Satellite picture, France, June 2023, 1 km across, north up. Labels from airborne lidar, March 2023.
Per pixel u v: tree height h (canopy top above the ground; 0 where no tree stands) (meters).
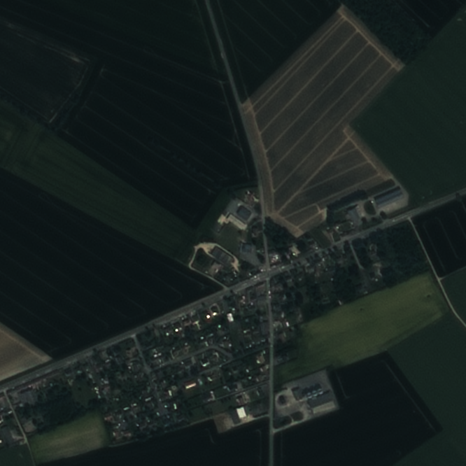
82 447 0
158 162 0
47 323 0
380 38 9
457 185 0
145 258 0
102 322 0
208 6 0
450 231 0
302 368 0
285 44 0
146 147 0
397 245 8
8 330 0
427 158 0
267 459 0
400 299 0
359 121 0
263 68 0
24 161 0
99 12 0
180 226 0
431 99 0
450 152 0
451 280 0
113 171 0
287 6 0
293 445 0
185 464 0
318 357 0
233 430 0
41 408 16
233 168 0
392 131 0
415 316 0
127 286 0
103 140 0
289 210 0
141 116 0
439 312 0
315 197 0
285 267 0
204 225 0
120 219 0
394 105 0
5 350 0
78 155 0
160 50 0
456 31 0
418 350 0
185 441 0
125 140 0
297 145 0
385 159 0
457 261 0
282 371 0
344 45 0
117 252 0
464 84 0
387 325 0
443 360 0
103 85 0
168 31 0
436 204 0
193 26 0
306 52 0
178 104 0
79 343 0
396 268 15
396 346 0
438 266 0
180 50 0
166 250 0
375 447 0
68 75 0
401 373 0
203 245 0
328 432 0
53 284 0
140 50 0
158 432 14
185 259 0
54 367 0
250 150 0
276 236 13
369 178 0
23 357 0
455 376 0
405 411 0
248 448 0
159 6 0
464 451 0
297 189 0
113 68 0
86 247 0
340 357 0
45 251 0
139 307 0
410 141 0
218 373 0
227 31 0
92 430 0
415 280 0
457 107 0
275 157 0
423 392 0
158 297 0
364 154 0
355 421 0
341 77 0
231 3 0
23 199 0
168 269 0
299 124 0
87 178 0
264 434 0
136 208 0
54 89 0
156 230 0
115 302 0
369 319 0
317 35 0
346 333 0
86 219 0
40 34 0
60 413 15
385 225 0
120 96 0
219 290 0
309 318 0
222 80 0
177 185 0
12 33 0
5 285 0
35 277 0
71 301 0
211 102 0
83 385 0
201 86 0
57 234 0
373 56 0
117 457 0
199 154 0
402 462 0
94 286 0
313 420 0
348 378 0
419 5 0
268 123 0
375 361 0
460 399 0
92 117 0
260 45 0
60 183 0
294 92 0
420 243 10
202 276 0
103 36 0
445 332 0
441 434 0
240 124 0
